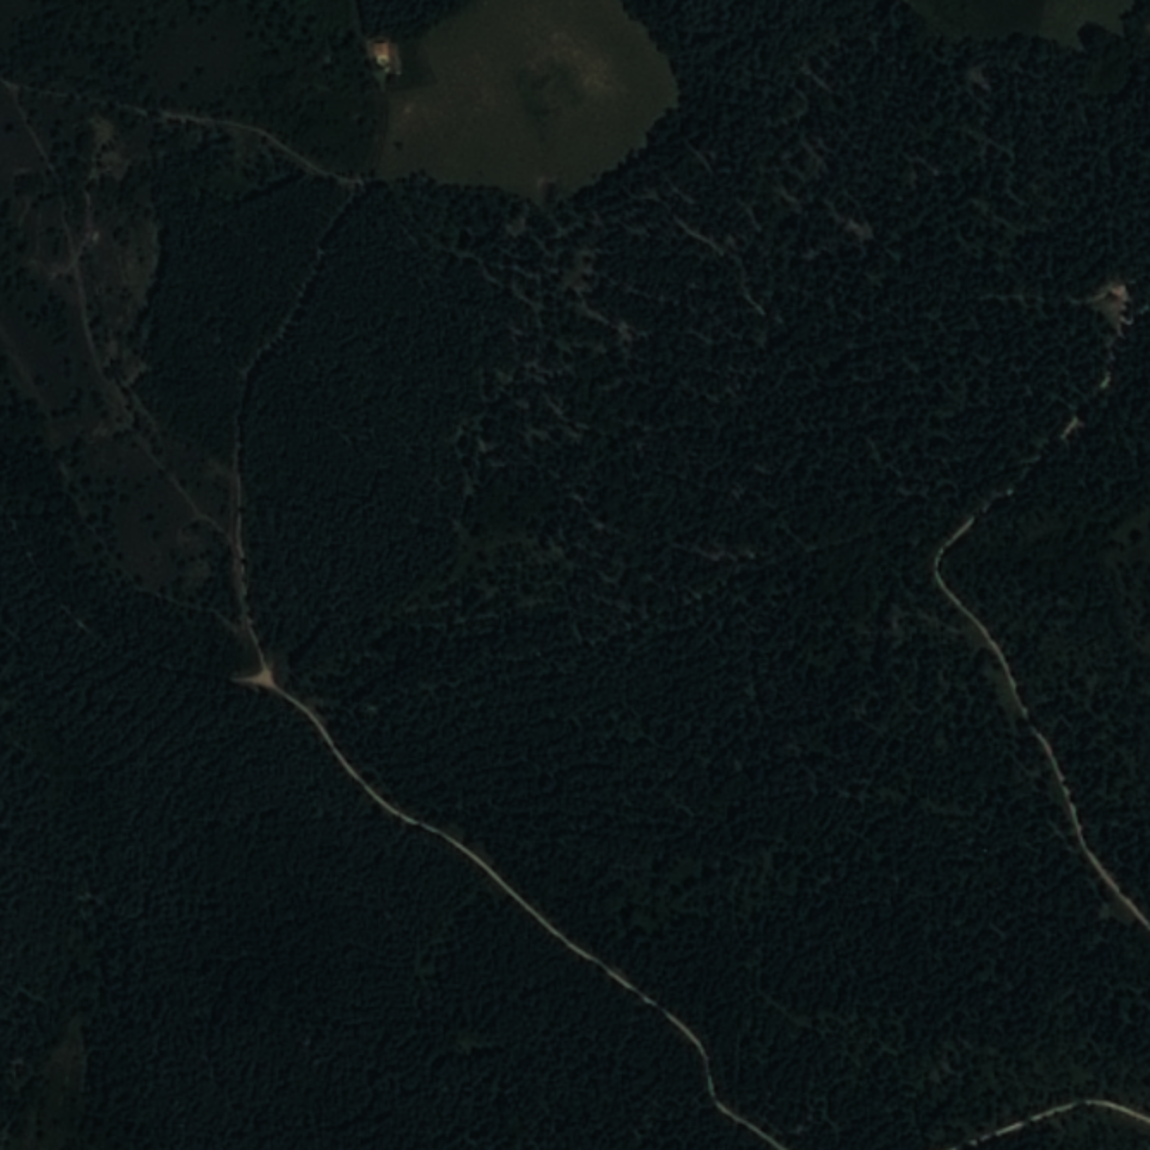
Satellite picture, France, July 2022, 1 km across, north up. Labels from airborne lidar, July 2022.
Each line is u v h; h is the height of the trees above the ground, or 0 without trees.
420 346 18
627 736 10
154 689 18
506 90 0
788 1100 8
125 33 12
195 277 13
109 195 6
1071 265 23
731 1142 16
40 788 20
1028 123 20
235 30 0
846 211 22
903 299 22
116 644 11
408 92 0
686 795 18
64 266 0
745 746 21
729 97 20
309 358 18
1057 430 22
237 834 10
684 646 17
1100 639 18
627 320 19
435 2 16
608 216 18
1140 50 14
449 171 0
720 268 19
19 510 8
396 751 17
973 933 9
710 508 19
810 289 24
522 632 17
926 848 17
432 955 8
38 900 21
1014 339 18
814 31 26
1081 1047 9
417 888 20
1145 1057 13
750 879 9
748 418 11
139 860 16
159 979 12
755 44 22
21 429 10
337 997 20
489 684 18
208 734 12
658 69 0
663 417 23
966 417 17
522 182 0
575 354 11
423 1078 22
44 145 0
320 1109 19
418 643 13
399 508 16
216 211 17
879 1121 17
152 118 9
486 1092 17
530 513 11
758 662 18
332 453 19
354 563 21
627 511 16
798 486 21
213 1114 15
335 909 18
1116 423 23
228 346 17
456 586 6
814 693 19
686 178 18
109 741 16
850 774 17
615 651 18
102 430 0
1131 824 8
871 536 10
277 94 10
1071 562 11
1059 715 10
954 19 0
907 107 25
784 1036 15
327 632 18
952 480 18
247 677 0
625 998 17
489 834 13
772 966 12
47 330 7
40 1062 10
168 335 13
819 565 14
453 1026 18
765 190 14
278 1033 21
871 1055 13
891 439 15
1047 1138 10
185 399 16
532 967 16
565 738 17
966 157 16
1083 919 9
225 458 13
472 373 17
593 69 0
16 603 18
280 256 20
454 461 13
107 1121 17
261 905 10
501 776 15
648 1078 23
